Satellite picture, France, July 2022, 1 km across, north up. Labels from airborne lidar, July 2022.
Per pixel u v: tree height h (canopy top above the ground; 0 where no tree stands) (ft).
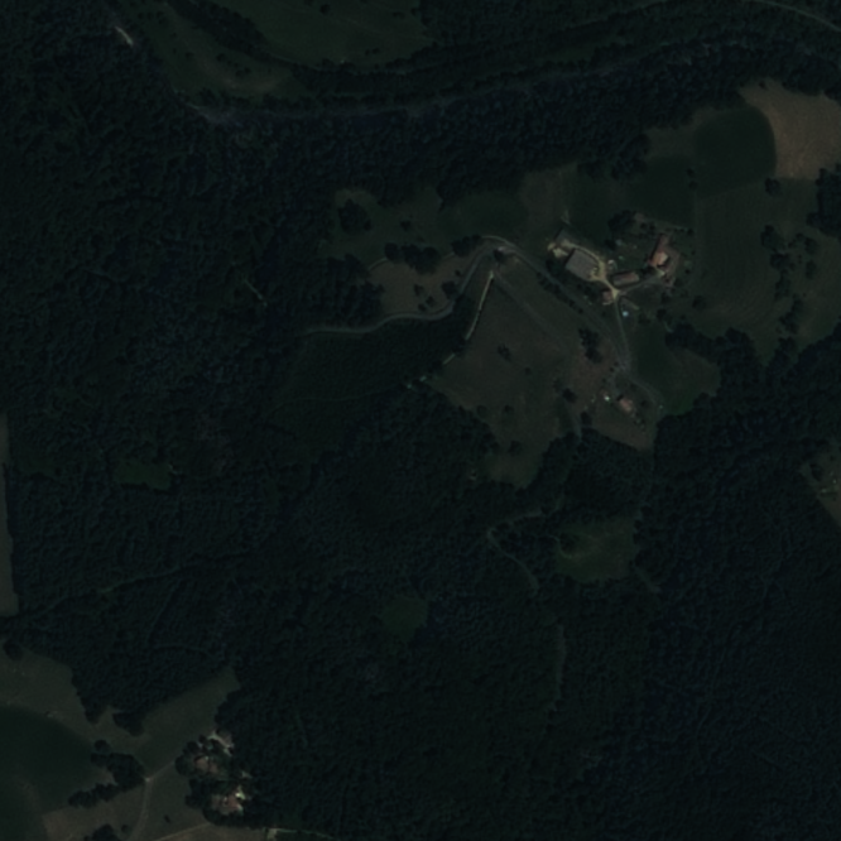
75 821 0
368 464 81
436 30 31
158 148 111
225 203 52
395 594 92
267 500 97
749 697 74
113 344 112
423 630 0
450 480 64
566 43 74
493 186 61
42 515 97
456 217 0
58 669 0
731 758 58
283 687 73
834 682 69
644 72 56
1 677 0
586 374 0
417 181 86
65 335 103
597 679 65
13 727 0
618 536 0
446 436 65
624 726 97
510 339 0
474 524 90
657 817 73
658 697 21
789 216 0
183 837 0
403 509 72
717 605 66
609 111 100
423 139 94
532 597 74
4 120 101
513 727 76
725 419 98
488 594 67
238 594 99
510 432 0
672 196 0
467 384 0
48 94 105
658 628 91
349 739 79
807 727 55
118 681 91
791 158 0
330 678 101
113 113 58
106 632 74
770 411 102
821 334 0
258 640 100
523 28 53
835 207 65
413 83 74
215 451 73
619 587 48
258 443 98
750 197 0
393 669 68
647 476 40
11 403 61
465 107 71
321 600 96
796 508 71
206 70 0
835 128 0
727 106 30
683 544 98
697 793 67
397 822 67
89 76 104
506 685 86
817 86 73
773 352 0
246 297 19
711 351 77
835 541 64
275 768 55
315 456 23
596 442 69
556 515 64
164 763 0
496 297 0
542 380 0
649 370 0
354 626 89
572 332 0
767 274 0
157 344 108
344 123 70
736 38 64
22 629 63
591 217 0
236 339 80
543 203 0
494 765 66
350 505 69
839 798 70
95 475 87
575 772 92
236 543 28
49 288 60
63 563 96
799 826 63
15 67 87
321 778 38
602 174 85
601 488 25
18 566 74
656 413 0
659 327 0
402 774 89
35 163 87
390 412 73
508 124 101
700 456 123
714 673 80
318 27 0
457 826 65
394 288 0
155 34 0
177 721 0
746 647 62
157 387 105
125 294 100
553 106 47
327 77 71
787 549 62
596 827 73
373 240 0
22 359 68
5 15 87
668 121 61
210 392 92
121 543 33
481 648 82
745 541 43
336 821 72
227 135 88
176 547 80
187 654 66
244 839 0
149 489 75
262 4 0
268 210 83
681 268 0
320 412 21
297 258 73
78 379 89
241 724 67
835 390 107
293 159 93
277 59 22
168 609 70
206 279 107
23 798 0
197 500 77
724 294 0
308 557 84
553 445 42
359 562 85
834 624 70
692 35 50
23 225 93
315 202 75
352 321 55
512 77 60
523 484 0
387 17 0
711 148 0
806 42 77
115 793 46
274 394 80
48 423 28
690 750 102
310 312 100
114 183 98
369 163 68
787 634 69
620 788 63
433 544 100
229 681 0
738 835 70
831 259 0
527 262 0
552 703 28
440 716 93
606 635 44
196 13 60
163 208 111
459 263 0
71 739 0
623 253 0
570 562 0
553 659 37
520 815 73
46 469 0
